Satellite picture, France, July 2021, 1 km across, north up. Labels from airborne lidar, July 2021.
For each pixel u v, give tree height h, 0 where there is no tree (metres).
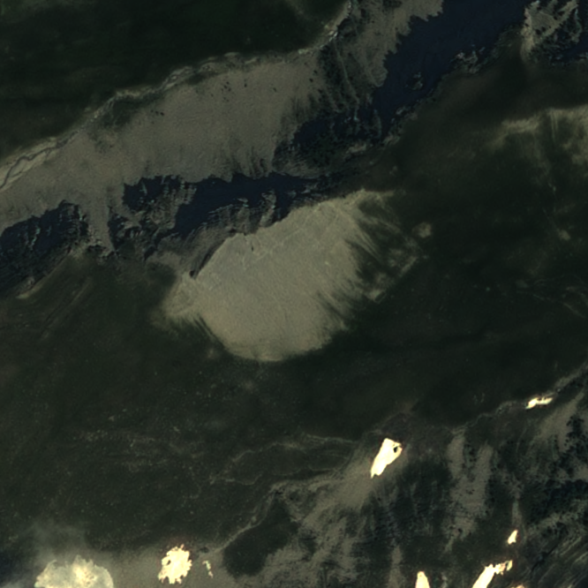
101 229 0
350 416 0
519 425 0
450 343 0
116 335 0
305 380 0
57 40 0
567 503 9
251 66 0
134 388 0
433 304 0
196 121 0
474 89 0
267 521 0
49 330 0
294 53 0
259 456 0
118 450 0
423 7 0
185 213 0
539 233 0
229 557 0
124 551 0
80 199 0
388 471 0
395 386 0
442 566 0
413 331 0
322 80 0
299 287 0
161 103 0
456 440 0
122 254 0
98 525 0
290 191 0
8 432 0
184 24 0
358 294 0
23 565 0
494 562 0
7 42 0
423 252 0
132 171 0
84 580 0
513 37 0
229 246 0
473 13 0
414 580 0
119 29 0
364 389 0
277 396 0
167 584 0
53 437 0
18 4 0
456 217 0
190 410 0
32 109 0
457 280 0
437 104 0
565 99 0
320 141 11
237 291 0
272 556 0
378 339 0
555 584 0
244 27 0
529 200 0
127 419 0
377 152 0
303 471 0
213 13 0
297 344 0
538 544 0
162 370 0
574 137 0
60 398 0
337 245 0
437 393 0
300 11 0
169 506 0
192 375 0
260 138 0
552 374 0
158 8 0
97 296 0
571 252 0
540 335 0
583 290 0
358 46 0
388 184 0
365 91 0
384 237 0
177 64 0
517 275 0
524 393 0
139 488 0
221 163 0
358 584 0
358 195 0
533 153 0
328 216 0
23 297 0
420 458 0
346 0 0
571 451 7
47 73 0
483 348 0
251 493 0
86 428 0
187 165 0
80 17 0
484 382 0
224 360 0
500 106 0
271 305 0
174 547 0
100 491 0
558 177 0
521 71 0
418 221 0
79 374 0
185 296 0
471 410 0
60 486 0
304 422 0
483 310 0
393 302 0
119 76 0
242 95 0
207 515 0
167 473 0
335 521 0
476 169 0
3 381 0
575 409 0
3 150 0
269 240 0
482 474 0
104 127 0
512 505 0
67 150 0
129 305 0
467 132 0
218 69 0
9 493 0
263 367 0
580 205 0
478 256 0
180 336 0
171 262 0
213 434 0
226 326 0
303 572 0
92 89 0
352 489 0
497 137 0
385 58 0
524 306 0
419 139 0
